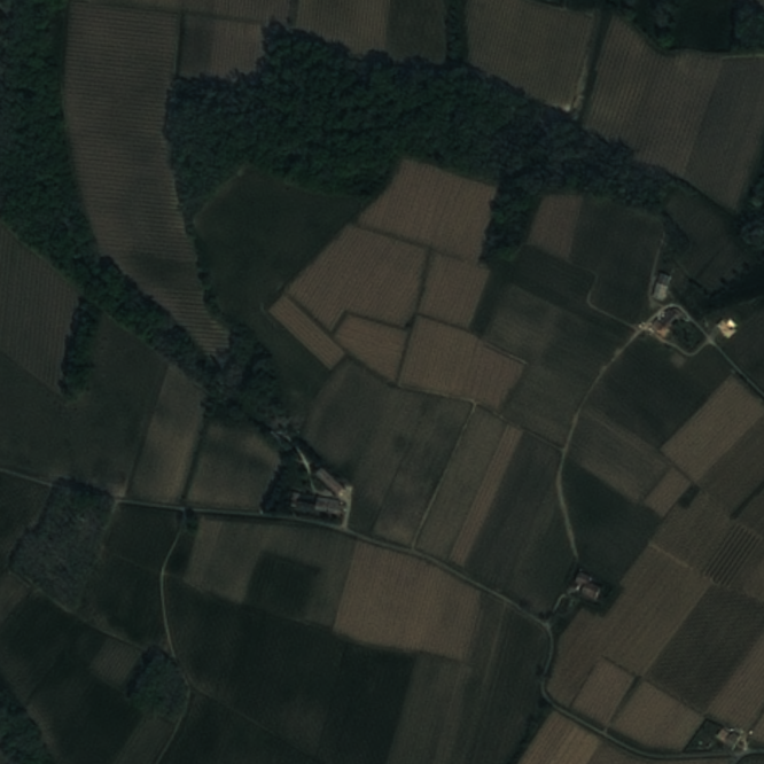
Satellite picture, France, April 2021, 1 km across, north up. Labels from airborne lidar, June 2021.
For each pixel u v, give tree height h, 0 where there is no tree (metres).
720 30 0
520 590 0
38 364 0
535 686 0
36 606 0
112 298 27
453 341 0
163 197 0
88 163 0
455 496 0
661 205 17
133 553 0
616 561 0
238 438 0
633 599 0
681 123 0
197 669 0
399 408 0
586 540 0
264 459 0
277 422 10
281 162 20
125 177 0
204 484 0
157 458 0
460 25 16
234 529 0
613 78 0
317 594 0
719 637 0
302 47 20
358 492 0
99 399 0
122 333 0
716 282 0
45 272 0
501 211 17
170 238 0
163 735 0
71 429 0
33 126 25
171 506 0
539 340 0
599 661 0
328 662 0
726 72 0
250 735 0
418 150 15
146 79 0
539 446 0
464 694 0
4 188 22
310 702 0
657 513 0
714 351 0
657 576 0
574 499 0
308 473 12
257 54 0
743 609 0
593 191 15
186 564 0
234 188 0
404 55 0
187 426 0
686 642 0
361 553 0
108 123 0
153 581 0
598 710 0
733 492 0
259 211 0
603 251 0
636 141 0
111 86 0
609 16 0
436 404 0
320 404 0
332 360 0
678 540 0
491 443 0
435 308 0
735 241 0
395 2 0
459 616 0
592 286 0
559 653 0
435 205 0
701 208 0
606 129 0
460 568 0
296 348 0
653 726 0
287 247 0
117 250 0
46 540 16
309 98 24
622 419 0
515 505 0
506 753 0
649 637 0
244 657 0
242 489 0
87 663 0
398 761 0
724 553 0
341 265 0
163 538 0
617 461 0
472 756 0
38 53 23
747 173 0
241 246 0
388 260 0
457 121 24
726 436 0
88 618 0
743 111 0
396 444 0
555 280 0
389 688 0
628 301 0
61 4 22
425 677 0
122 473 0
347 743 0
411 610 0
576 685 0
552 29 0
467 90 25
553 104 0
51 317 0
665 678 0
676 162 0
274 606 0
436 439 0
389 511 0
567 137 24
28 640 0
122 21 0
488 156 23
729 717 0
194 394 0
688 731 0
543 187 22
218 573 0
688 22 0
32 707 0
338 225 0
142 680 23
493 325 0
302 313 0
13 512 0
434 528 0
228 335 0
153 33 0
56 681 0
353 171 21
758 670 0
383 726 0
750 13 27
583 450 0
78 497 21
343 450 0
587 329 0
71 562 19
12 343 0
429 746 0
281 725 0
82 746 0
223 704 0
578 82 0
